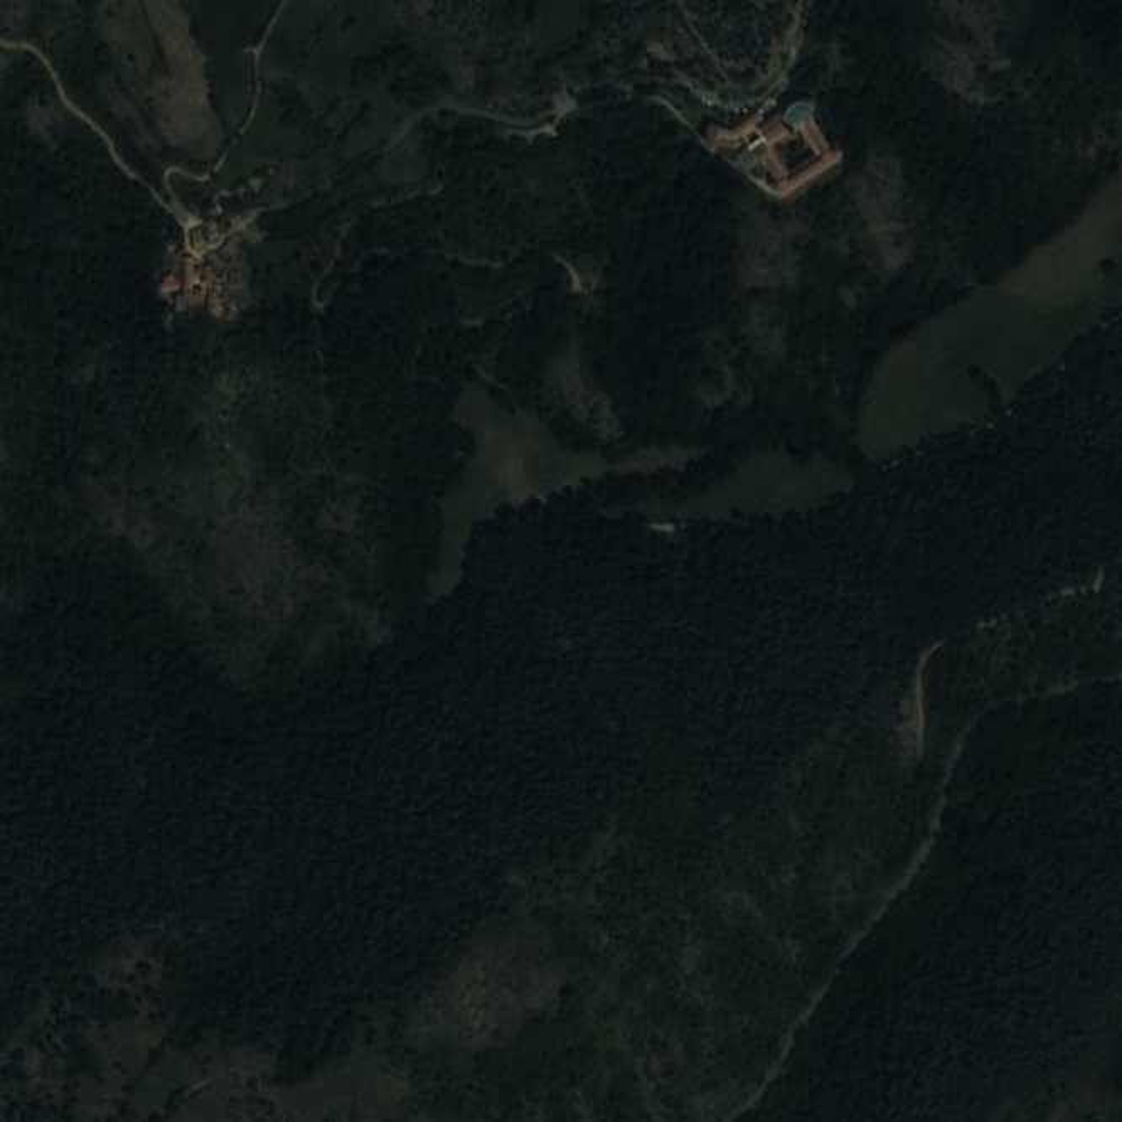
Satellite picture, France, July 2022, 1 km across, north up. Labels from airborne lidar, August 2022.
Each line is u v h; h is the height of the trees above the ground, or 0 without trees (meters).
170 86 0
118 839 15
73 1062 7
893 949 19
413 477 18
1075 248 0
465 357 9
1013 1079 8
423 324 15
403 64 14
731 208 11
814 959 8
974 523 14
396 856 15
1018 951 8
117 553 7
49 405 15
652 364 23
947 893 15
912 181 10
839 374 8
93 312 6
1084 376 17
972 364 0
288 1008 11
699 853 14
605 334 9
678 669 15
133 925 11
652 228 26
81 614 23
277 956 21
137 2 0
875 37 14
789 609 17
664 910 7
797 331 15
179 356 14
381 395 18
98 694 9
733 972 7
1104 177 12
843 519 23
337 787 17
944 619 16
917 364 0
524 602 12
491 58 6
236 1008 18
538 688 14
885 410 0
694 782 14
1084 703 16
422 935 8
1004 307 0
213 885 15
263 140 0
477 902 13
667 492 19
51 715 23
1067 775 19
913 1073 8
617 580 16
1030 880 13
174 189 0
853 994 14
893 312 19
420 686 20
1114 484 13
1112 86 6
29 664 18
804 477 0
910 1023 8
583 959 6
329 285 7
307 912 16
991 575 14
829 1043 22
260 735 26
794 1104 15
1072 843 11
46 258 14
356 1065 0
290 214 12
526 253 12
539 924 6
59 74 7
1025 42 9
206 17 0
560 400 7
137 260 9
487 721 11
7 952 15
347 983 12
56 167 8
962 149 19
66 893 19
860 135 10
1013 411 16
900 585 20
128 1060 0
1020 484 20
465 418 0
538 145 8
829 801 9
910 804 9
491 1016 0
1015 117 12
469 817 14
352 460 8
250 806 14
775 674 18
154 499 10
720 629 14
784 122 0
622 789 9
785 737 10
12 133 12
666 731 14
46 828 16
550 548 16
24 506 10
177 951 8
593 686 6
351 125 7
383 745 16
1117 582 6
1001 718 16
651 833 8
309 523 10
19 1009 6
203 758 20
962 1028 5
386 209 9
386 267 21
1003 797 16
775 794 7
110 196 7
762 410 14
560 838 11
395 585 15
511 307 7
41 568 15
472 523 0
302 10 0
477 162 12
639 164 11
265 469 7
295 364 8
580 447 16
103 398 9
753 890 7
